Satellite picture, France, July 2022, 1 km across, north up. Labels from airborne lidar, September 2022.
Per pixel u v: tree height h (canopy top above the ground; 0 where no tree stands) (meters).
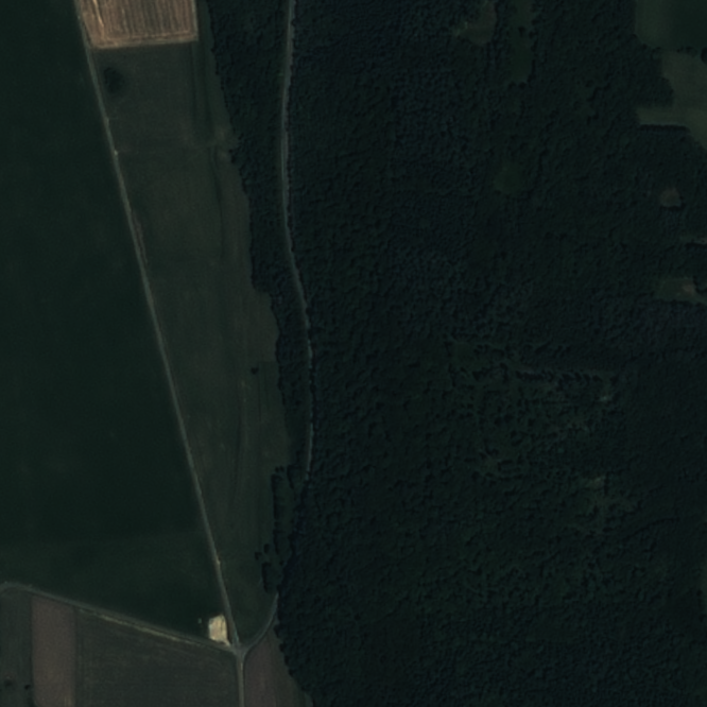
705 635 10
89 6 0
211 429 0
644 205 20
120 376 0
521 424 22
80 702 0
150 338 0
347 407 21
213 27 10
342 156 15
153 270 0
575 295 16
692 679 18
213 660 0
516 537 20
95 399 0
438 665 16
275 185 15
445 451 19
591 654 17
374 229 25
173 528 0
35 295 0
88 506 0
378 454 22
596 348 16
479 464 24
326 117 15
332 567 22
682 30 0
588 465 15
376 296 20
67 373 0
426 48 27
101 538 0
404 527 20
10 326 0
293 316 17
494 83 22
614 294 14
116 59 0
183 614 0
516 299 19
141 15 0
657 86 18
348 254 25
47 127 0
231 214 0
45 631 0
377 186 13
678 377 22
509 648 16
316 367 20
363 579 22
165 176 0
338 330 27
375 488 25
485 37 0
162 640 0
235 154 10
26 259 0
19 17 0
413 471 23
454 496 22
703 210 19
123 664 0
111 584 0
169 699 0
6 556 0
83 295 0
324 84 14
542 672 11
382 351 21
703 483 22
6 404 0
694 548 21
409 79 27
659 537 21
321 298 22
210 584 0
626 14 27
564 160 17
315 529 21
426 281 33
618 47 17
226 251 0
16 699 0
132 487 0
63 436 0
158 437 0
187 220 0
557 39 17
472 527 18
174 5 0
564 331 16
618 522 20
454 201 24
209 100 0
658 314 26
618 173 21
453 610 18
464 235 23
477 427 21
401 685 10
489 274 19
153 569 0
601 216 23
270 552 15
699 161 18
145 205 0
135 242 0
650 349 17
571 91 17
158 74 0
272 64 13
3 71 0
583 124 18
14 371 0
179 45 0
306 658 14
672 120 0
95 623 0
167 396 0
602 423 12
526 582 22
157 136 0
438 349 21
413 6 36
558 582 19
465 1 32
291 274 20
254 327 0
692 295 0
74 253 0
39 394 0
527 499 18
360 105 21
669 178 20
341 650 20
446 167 23
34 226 0
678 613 12
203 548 0
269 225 10
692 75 0
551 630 20
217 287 0
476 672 13
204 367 0
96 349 0
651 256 13
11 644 0
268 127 8
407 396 19
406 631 16
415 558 20
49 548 0
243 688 0
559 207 24
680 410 21
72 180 0
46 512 0
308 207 14
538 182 16
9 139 0
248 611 0
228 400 0
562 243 20
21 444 0
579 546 21
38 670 0
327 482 20
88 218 0
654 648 12
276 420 0
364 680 10
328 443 22
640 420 19
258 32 8
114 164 0
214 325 0
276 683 0
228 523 0
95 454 0
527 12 0
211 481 0
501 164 26
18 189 0
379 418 23
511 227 15
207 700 0
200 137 0
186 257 0
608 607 14
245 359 0
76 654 0
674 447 23
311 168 13
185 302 0
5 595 0
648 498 19
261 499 0
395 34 23
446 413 22
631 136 21
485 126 21
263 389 0
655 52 17
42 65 0
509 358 11
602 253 16
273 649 0
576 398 17
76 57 0
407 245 28
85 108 0
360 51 19
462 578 19
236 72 18
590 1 15
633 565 20
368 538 20
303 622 21
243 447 0
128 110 0
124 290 0
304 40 12
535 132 19
